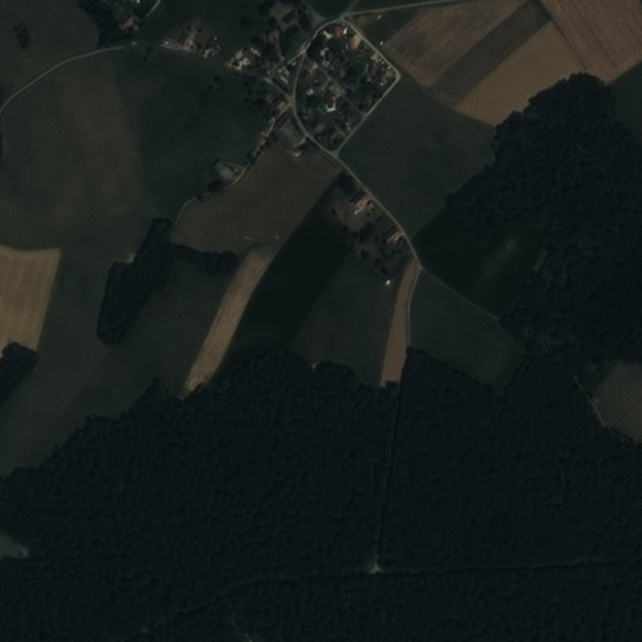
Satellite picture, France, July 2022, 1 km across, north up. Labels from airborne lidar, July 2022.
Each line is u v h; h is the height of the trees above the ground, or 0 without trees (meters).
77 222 0
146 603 15
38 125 0
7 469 0
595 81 14
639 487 16
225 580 21
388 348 0
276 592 28
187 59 0
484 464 24
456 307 0
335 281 0
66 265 0
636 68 0
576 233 19
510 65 0
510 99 0
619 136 18
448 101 0
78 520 24
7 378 19
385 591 24
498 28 0
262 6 9
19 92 0
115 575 16
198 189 0
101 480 18
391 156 0
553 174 15
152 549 25
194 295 0
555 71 0
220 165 0
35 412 0
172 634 26
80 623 20
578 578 21
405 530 25
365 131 0
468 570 15
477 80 0
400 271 0
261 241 0
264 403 26
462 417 27
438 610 24
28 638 18
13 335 0
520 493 19
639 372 0
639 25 0
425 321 0
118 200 0
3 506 26
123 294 19
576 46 0
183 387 0
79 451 24
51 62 0
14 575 17
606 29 0
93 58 0
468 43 0
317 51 14
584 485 19
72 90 0
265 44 7
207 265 17
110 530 24
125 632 20
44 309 0
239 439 23
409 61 0
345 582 26
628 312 24
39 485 23
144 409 23
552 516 24
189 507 23
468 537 23
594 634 29
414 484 22
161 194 0
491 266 0
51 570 19
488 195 29
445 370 16
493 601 25
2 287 0
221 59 0
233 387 11
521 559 18
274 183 0
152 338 0
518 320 16
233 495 22
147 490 17
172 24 0
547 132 22
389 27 0
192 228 0
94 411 0
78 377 0
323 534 26
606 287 27
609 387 0
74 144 0
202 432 22
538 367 17
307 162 0
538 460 28
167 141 0
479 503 24
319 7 0
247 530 22
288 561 24
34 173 0
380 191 0
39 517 19
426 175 0
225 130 0
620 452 16
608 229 25
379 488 20
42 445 0
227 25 0
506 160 19
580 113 19
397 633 21
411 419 18
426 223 0
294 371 15
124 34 7
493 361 0
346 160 0
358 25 0
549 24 0
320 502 19
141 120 0
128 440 27
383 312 0
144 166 0
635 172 18
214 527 20
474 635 22
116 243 0
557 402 22
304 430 21
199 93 0
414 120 0
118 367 0
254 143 0
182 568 17
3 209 0
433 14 0
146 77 0
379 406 22
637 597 24
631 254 19
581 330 23
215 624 20
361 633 16
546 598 22
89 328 0
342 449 26
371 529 21
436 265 0
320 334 0
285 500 18
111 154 0
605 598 28
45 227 0
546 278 21
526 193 15
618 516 13
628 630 20
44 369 0
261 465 27
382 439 17
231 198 0
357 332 0
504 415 21
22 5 0
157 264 16
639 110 0
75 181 0
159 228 17
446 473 21
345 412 20
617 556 13
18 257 0
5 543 0
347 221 0
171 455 24
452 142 0
